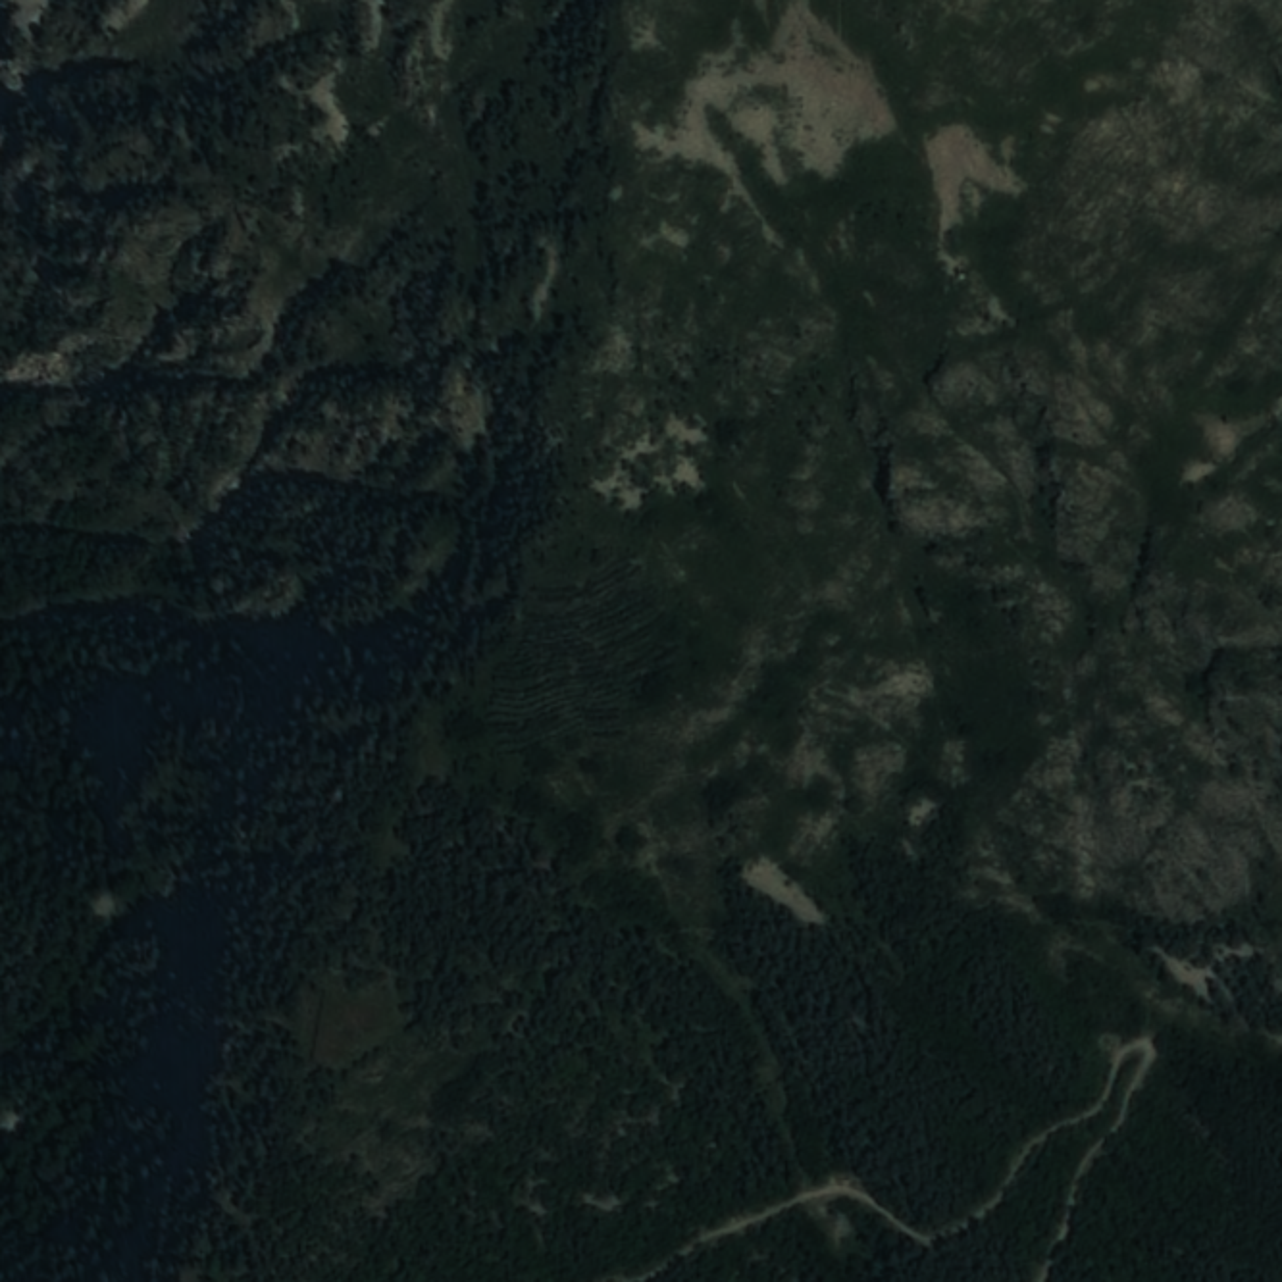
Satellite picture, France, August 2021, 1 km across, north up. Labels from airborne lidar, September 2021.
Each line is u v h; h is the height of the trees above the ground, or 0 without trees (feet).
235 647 30
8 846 51
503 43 0
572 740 23
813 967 83
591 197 0
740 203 0
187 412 32
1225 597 0
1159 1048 33
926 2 0
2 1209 73
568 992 99
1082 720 0
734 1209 42
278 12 28
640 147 0
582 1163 27
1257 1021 68
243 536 37
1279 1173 50
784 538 0
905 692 0
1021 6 0
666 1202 49
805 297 0
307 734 23
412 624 22
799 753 0
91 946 22
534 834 67
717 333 0
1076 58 0
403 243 31
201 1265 35
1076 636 0
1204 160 0
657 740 0
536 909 83
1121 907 35
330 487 30
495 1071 37
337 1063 0
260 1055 75
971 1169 50
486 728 41
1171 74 0
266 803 79
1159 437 0
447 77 0
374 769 36
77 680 52
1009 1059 67
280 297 0
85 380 24
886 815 0
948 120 0
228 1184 33
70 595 47
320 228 0
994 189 0
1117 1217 55
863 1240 29
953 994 53
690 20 0
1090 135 0
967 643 0
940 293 0
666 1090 42
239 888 69
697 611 0
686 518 0
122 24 0
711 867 0
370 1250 29
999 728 0
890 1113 66
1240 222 0
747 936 25
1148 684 0
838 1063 79
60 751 52
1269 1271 64
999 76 0
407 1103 0
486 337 23
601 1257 41
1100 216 0
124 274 26
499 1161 30
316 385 31
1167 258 0
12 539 32
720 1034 40
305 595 0
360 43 25
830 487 0
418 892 70
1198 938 51
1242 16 0
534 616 23
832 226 0
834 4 0
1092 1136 52
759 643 0
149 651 69
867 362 0
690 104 0
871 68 0
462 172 0
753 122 0
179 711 30
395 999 0
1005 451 0
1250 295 0
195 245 46
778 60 0
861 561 0
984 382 0
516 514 69
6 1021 79
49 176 21
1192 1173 40
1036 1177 49
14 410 52
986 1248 48
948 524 0
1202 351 0
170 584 40
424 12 0
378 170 0
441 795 50
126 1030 50
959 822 30
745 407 0
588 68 30
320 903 55
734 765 0
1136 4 0
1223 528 0
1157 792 32
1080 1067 72
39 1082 51
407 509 26
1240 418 0
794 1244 52
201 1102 36
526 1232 37
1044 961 18
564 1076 40
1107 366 0
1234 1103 48
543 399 24
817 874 0
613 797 0
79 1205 29
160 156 34
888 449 23
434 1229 35
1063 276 0
